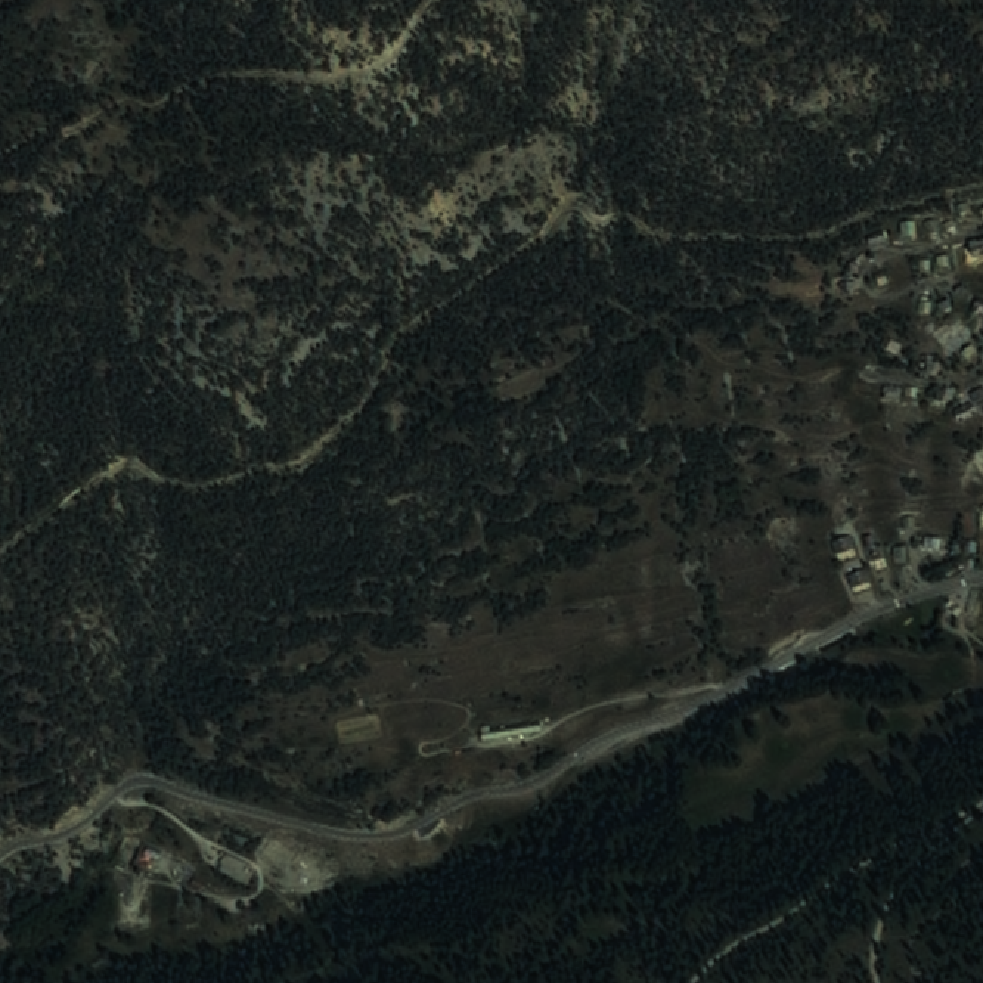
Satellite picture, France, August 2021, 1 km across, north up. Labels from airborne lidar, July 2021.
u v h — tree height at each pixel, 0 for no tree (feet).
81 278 29
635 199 39
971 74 32
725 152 27
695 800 0
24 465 42
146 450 32
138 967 56
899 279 0
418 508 28
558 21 25
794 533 0
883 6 32
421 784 0
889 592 0
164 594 34
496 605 25
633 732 0
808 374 0
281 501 35
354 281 38
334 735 0
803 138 40
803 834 78
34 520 52
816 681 67
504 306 43
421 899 52
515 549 0
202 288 24
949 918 20
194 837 0
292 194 21
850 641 33
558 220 0
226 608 28
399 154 31
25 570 49
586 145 27
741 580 0
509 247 34
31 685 51
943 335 0
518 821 0
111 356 49
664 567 0
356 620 42
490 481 36
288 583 31
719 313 29
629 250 57
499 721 0
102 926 0
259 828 0
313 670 43
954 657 0
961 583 0
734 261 54
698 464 22
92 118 0
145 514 31
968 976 27
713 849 75
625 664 0
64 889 70
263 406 41
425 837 0
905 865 44
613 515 25
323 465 26
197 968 69
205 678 51
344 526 34
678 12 27
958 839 79
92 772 33
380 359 19
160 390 44
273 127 39
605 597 0
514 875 40
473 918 44
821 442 0
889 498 0
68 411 39
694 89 22
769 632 0
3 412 30
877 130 35
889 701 53
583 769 0
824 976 22
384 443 35
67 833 0
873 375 0
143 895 0
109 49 0
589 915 71
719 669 0
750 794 0
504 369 0
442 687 0
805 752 0
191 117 45
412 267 29
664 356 31
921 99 47
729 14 40
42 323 40
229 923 46
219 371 29
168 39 39
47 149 46
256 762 34
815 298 0
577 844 46
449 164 27
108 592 41
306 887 0
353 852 0
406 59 28
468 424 25
